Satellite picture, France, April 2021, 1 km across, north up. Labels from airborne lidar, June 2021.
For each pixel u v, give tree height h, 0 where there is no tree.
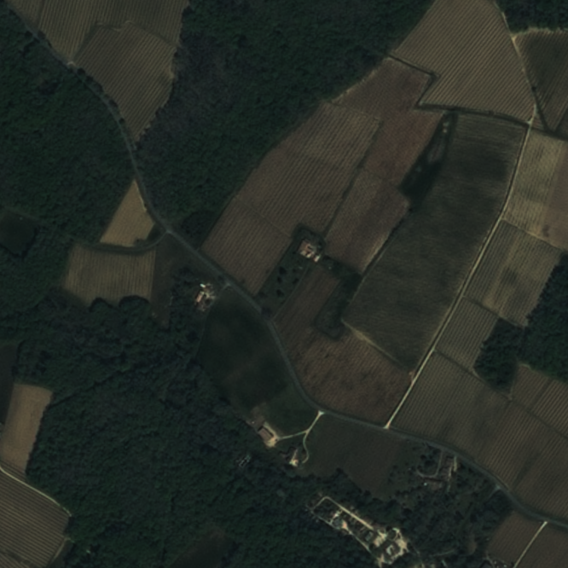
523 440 0
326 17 20
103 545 19
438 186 0
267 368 0
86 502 22
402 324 0
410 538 19
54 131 23
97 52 0
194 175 24
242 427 21
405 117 0
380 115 0
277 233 0
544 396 0
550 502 0
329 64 23
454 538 14
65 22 0
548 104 0
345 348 0
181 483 21
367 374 0
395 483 8
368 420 0
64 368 20
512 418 0
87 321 14
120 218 0
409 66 0
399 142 0
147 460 19
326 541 26
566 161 0
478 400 0
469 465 0
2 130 14
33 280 20
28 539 0
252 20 19
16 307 22
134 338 14
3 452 0
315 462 0
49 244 21
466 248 0
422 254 0
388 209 0
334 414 0
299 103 23
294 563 20
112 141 16
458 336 0
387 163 0
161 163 20
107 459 24
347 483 16
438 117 0
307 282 0
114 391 21
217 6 21
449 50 0
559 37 0
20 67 19
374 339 0
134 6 0
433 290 0
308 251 0
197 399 15
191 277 20
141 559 19
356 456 0
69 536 11
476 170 0
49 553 0
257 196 0
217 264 0
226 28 26
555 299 23
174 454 21
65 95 19
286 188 0
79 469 23
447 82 0
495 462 0
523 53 0
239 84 21
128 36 0
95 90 17
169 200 20
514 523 0
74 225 21
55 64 12
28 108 20
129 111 0
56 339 25
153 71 0
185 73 13
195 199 21
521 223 0
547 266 0
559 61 0
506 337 8
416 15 15
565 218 0
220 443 21
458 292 0
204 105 23
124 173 20
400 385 0
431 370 0
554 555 0
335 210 0
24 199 25
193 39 20
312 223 0
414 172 0
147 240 0
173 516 20
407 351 0
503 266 0
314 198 0
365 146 0
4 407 0
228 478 24
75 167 21
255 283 0
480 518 20
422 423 0
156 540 17
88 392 20
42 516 0
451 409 0
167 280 0
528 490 0
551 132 0
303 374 0
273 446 0
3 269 18
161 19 0
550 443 0
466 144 0
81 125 16
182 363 23
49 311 27
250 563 24
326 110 0
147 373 17
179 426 23
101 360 15
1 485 0
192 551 0
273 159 0
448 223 0
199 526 19
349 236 0
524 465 0
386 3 22
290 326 0
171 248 0
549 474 0
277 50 21
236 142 27
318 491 23
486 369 13
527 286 0
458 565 9
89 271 0
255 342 0
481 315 0
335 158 0
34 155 20
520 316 0
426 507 18
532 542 0
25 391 0
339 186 0
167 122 17
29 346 15
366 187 0
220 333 0
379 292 0
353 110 0
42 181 21
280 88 24
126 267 0
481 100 0
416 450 7
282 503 22
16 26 20
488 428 0
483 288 0
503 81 0
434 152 0
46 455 21
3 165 20
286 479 18
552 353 24
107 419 13
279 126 23
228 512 19
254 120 28
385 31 22
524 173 0
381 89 0
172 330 14
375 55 18
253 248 0
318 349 0
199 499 20
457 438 0
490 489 0
